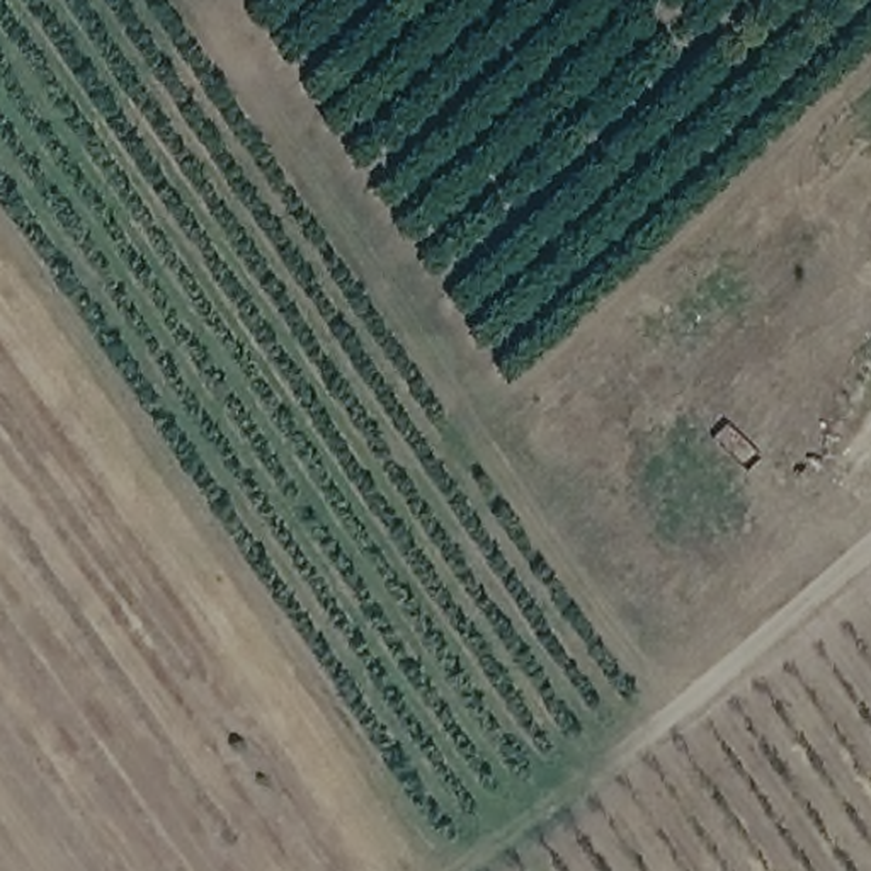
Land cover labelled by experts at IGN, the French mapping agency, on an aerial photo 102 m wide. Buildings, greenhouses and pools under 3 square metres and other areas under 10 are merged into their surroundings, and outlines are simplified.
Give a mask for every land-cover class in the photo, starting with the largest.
<instances>
[{"label":"deciduous trees","instance_id":"1","mask_svg":"<svg viewBox=\"0 0 871 871\"><path fill-rule=\"evenodd\" d=\"M184 61L204 82L208 95L225 112L235 136L248 146L255 167L269 177L276 194H282L303 235L323 252L330 276L354 303V310L367 320V330L384 347L391 364L405 374L412 395L442 432L449 449L439 459L429 439L401 408L395 388L384 381V374L361 347L354 327L337 313V306L320 289L313 265L289 242L279 214H272V208L262 201L255 184L225 150L218 126L201 112L191 88L180 82L177 65ZM150 71L160 75L191 129L208 143L228 184L252 208L272 245L279 248L282 262L296 272L306 296L316 303L320 316L330 323L333 337L350 354L361 378L374 388L384 412L395 418V429L415 449L429 476L439 483L466 531L473 534V541L483 548L490 568L504 578L507 592L531 619L544 650L568 674L572 687L589 704H599V691L565 653L558 636L548 629L541 606L524 589L517 572L507 565L500 544L487 534L483 517L490 514H497L517 551L527 558L531 572L548 585L555 606L582 636L585 650L602 667V674L619 687V694H636V677L619 667L612 650L592 629L589 616L578 609V602L555 575V568L531 544L521 517L500 497L490 473L480 466L466 436L442 412V401L425 384L418 364L408 357L401 340L384 327L364 282L350 276L347 262L333 252L320 218L303 208L296 187L282 177V167L276 163V153L269 150L262 129L245 119L225 71L201 51L197 37L184 27L180 10L170 0H0V208L27 235L37 255L54 269L58 289L78 306V316L95 333L99 347L119 367L122 381L133 388L146 415L160 425L184 473L201 487L214 517L225 524L252 572L272 592V602L286 609L296 633L313 646L316 660L333 677L340 697L350 704L367 738L384 755V766L405 786V796L429 817V827L439 830L453 823L449 813L459 806L466 813H476V796L470 789L483 783L480 776H490V769L500 772L514 766L521 772H531V759L548 762L551 738L534 721L524 694L514 687L507 667L493 657L487 636L473 626V619H466L463 606L442 585L425 551L415 544V534L408 527L412 521L422 517L442 558L453 565L466 592L476 599V606L487 612L504 646L517 657L521 670L534 680L561 728L578 735L582 721L565 704V697L555 694L544 667L534 660L524 636L514 629L510 616L487 595L463 548L432 514L429 500L415 490L408 470L395 463L378 418L367 415L364 401L350 391L337 364L320 350L313 327L299 316L282 279L272 276L265 255L248 238L245 225L214 194L204 163L187 150L180 133L170 126L163 105L143 85ZM357 7H364V0H245L248 17L272 34L282 58L293 65H303L313 48L337 34V27ZM555 0H398L388 10H378L354 34V41L344 44L313 75V82H306V92L313 95L320 116L340 139L357 122H367L381 102L395 109V116L381 122V129H374L371 139L350 153L354 163L367 174L378 163H384L388 153H395L412 133H418L422 122L432 119L463 82H470L487 61H493L534 20H541V14ZM619 0H582L561 17L558 27L544 31L538 44L524 51V71L497 75L476 99L463 105L449 129L429 139L425 153H415L395 174V180L374 187L388 208L401 204L439 163H446L459 146H466L480 129H487L493 116L510 105V99L524 95L531 82H538L565 48L578 44L592 27H599ZM742 0H708L670 41L657 34L653 10L643 20H633L629 27L616 24V31L595 51L575 61L572 75H561V82L548 95L524 109L521 119L507 122L504 136L483 146L473 157V163L446 177L418 211L395 221L398 231L418 245L449 214L466 208V201L480 194L504 167L510 170L514 180L507 184L500 201L483 204V211L473 214L463 228H456V235L446 238L442 248L422 259L442 282L459 259H466L480 242H487V235L497 225H504L507 214L521 208L534 191H541L561 167L582 157L585 146L609 122H616L646 88H653V82L680 58V51L694 37L725 24ZM578 99H585V102H589V112L582 116V122H578V126H568V129H555V136H548V139H544V136H541L544 122H548V119H555V116H561L565 109H572V105H575ZM806 0H762L759 14L742 20L738 41H721L714 51H708L697 61V68L674 92L663 95V102L650 112L643 126L623 133L609 146L602 163H592L541 214L517 228V235L504 242V248L493 259H487L476 269V276L463 279V286L449 293L463 316H470L483 303V296L497 293L507 282V276L524 269L565 228V221L578 218L602 194V187H609L623 170L633 167L640 153H646L697 102H704L711 88L735 65H742L749 51L759 48L779 24H786L789 14H796ZM868 0H837L827 17L813 14L796 34L783 41L776 54H766L759 71H752L745 82L732 88V102L718 105L697 133L680 136L677 146H670L667 157L657 160L636 187H626L619 197H612L606 211L572 245H565L551 265L538 272L534 286L517 289V296L490 310V320L470 327L473 337L490 350L500 347L514 327L527 323L531 313L541 303H548L561 282H568L575 269L595 259L609 242H616L626 231L629 221H636L646 211V204H653L691 167H697L708 180L691 187L684 201H670L663 208V218H657L646 231L633 238L629 255L612 259L609 272L589 276L572 293V303L561 306L544 323V330L524 340L517 354L500 364L504 378H517L521 371H527L544 350L568 337L572 327L606 293H612L643 262H650V255L718 191H725L728 180L742 174L749 160L762 157L769 139L793 126L806 112V105H813L827 88H834L871 51V41L857 34L827 65V71H820V78H803L796 71ZM783 82L796 88V99L786 102L779 112L766 116L759 129H749L738 150L728 157V163H718L711 170L701 157L711 153L732 133V126L742 116H749L762 99H769Z\"/></svg>","mask_w":871,"mask_h":871},{"label":"herbaceous vegetation","instance_id":"2","mask_svg":"<svg viewBox=\"0 0 871 871\"><path fill-rule=\"evenodd\" d=\"M180 10L184 27L197 37L201 51L225 71L245 119L262 129L269 150L276 153V163L282 167V177L296 187L303 208L320 218L333 252L347 262L350 276L364 282L384 327L401 340L408 357L418 364L425 384L442 401V412L466 436L480 466L490 473L500 497L521 517L531 544L555 568V575L578 602V609L589 616L592 629L612 650L619 667L636 677V694H619V687L602 674V667L585 650L582 636L555 606L548 585L531 572L527 558L517 551L497 514H490L483 517L487 534L500 544L507 565L517 572L524 589L541 606L548 629L558 636L565 653L599 691V704H589L572 687L568 674L544 650L531 619L507 592L504 578L490 568L483 548L473 541V534L466 531L439 483L429 476L415 449L395 429V418L384 412L374 388L361 378L350 354L333 337L330 323L320 316L316 303L306 296L296 272L282 262L279 248L272 245L252 208L228 184L208 143L191 129L160 75L150 71L143 85L163 105L170 126L180 133L187 150L204 163L214 194L245 225L248 238L265 255L272 276L282 279L299 316L313 327L320 350L337 364L350 391L364 401L367 415L378 418L395 463L408 470L415 490L429 500L432 514L463 548L487 595L510 616L514 629L524 636L534 660L544 667L555 694L565 697V704L582 721L578 735L561 728L534 680L521 670L517 657L504 646L487 612L476 606V599L466 592L453 565L442 558L422 517L412 521L408 527L415 534V544L425 551L442 585L463 606L466 619H473V626L487 636L493 657L507 667L514 687L524 694L534 721L551 738L548 762L531 759V772H521L514 766L500 772L490 769V776H480L483 783L470 789L476 796V813H466L459 806L449 813L453 823L439 830L442 837L459 840L466 847L487 837L500 854H524L531 844H541L555 830L575 823L582 813L602 810V800L592 793V776L623 735L643 725L677 694H684L701 674H708L721 657H728L745 636H752L769 616L786 609L813 578H820L847 548H854L871 531V51L834 88H827L813 105H806V112L793 126L769 139L762 157L749 160L742 174L728 180L725 191H718L650 255V262H643L612 293H606L572 327L568 337L544 350L527 371H521L517 378H504L500 364L517 354L524 340L544 330V323L561 306L572 303V293L589 276L609 272L612 259L629 255L633 238L646 231L657 218H663V208L670 201H684L691 187L708 180L697 167H691L653 204H646V211L636 221H629L626 231L616 242H609L595 259L575 269L568 282H561L548 303H541L531 313L527 323L514 327L500 347L490 350L473 337L470 327L490 320V310L517 296V289L534 286L538 272L551 265L565 245H572L606 211L612 197H619L626 187H636L657 160L667 157L670 146H677L680 136L697 133L718 105L732 102V88L745 82L752 71H759L766 54H776L783 41L796 34L813 14L827 17L837 0H806L796 14H789L786 24H779L759 48L749 51L742 65H735L711 88L704 102H697L646 153H640L633 167L623 170L609 187H602V194L578 218L565 221V228L524 269L507 276V282L497 293L483 296V303L470 316H463L449 293L463 286V279L476 276V269L487 259H493L504 248V242L517 235V228L541 214L592 163H602L609 146L623 133L643 126L650 112L663 102V95L674 92L697 68V61L708 51H714L721 41H738L742 20L759 14L762 0H742L725 24L694 37L680 51V58L653 82V88H646L616 122H609L585 146L582 157L561 167L541 191H534L521 208L507 214L504 225H497L487 235V242H480L466 259H459L442 282L422 259L442 248L446 238L456 235V228H463L473 214L483 211V204L500 201L507 184L514 180L510 170L504 167L480 194L466 201V208L449 214L418 245L398 231L395 221L418 211L446 177L473 163V157L483 146L504 136L507 122L521 119L524 109L548 95L561 82V75H572L575 61L595 51L616 31V24L629 27L633 20H643L653 10L657 34L670 41L708 0H619L599 27H592L578 44L565 48L538 82H531L524 95L510 99V105L493 116L487 129H480L466 146H459L446 163H439L401 204L388 208L374 187L395 180V174L415 153H425L429 139L449 129L463 105L476 99L497 75L524 71V51L538 44L544 31L558 27L561 17L582 0H555L541 14V20H534L493 61H487L470 82H463L432 119L422 122L418 133H412L395 153H388L384 163H378L367 174L354 163L350 153L371 139L374 129H381V122L395 116V109L381 102L367 122H357L340 139L320 116L313 95L306 92V82H313V75L344 44L354 41V34L378 10H388L398 0H364V7H357L337 27V34L313 48L303 65H293L282 58L272 34L248 17L245 0H170ZM857 34L871 41V0H868L796 71L803 78H820V71H827V65ZM180 82L191 88L201 112L218 126L225 150L255 184L262 201L272 208V214H279L289 242L313 265L320 289L337 306V313L354 327L361 347L384 374V381L395 388L401 408L429 439L439 459L449 449L442 432L412 395L405 374L391 364L384 347L367 330V320L354 310V303L330 276L323 252L303 235L282 194H276L269 177L255 167L248 146L235 136L225 112L208 95L204 82L184 61L177 65ZM796 99V88L783 82L769 99H762L749 116H742L732 126V133L711 153L701 157L711 170L718 163H728V157L738 150L749 129H759L766 116L779 112L786 102ZM589 112V102H585V99H578L575 105H572V109H565L561 116H555V119H548V122H544L541 136H544V139H548V136H555V129H568V126H578V122H582V116Z\"/></svg>","mask_w":871,"mask_h":871},{"label":"plowed land","instance_id":"3","mask_svg":"<svg viewBox=\"0 0 871 871\"><path fill-rule=\"evenodd\" d=\"M592 793L602 800V810L582 813L575 823L555 830L541 844H531L524 854H500L487 837L466 847L459 840L442 837L439 830L429 827V817L405 796V786L384 766V755L367 738L350 704L340 697L333 677L316 660L313 646L296 633L286 609L272 602V592L252 572L225 524L214 517L201 487L184 473L160 425L146 415L133 388L122 381L119 367L99 347L95 333L78 316V306L58 289L54 269L37 255L27 235L0 208V871H871V565H864L857 575L840 582L827 599H820L796 626H789L776 643H769L718 694H711L697 711L684 714L670 728V735L653 742L643 725L623 735L592 776Z\"/></svg>","mask_w":871,"mask_h":871},{"label":"pervious surface","instance_id":"4","mask_svg":"<svg viewBox=\"0 0 871 871\"><path fill-rule=\"evenodd\" d=\"M864 565H871V531L854 548H847L820 578H813L786 609L769 616L752 636H745L728 657H721L708 674H701L684 694H677L643 725L653 742L670 735V728L684 714L697 711L711 694H718L769 643H776L789 626H796L820 599H827L840 582L857 575Z\"/></svg>","mask_w":871,"mask_h":871}]
</instances>
